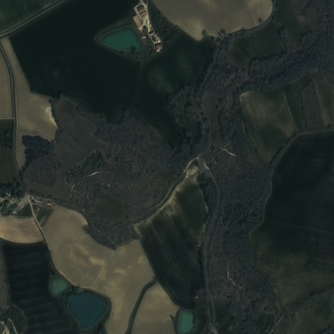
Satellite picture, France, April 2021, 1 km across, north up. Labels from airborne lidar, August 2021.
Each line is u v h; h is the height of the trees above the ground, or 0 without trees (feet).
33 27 0
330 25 29
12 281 0
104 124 50
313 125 52
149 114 0
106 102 0
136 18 0
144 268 0
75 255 0
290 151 0
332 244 0
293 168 0
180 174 24
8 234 0
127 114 54
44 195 35
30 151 27
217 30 0
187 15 0
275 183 0
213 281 47
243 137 45
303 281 0
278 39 0
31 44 0
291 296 0
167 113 0
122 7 0
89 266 0
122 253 0
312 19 0
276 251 0
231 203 72
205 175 50
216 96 45
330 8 36
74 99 54
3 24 0
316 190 0
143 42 0
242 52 0
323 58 52
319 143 0
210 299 0
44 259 0
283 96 0
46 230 0
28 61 0
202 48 0
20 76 0
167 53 0
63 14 0
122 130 61
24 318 30
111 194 0
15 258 0
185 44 0
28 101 0
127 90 0
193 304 0
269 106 0
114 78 0
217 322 0
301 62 45
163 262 0
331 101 0
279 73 32
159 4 0
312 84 43
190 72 0
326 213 0
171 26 0
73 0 0
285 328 0
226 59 51
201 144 85
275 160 51
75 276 0
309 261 0
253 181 68
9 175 0
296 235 0
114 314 0
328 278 0
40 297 0
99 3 0
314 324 0
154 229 0
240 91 34
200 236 0
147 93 0
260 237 0
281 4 0
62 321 0
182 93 54
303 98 43
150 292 0
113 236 58
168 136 0
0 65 0
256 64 52
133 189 31
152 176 22
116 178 23
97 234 57
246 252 56
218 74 51
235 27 0
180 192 0
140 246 0
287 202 0
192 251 0
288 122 0
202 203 0
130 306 0
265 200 49
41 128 0
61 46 0
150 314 0
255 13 0
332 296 52
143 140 45
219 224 40
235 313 73
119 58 0
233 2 0
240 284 36
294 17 0
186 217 0
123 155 32
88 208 41
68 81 0
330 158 0
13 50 0
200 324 0
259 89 52
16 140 0
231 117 23
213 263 26
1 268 0
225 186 80
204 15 0
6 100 0
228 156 22
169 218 0
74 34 0
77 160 0
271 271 0
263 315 0
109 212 0
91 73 0
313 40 34
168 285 0
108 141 49
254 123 0
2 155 0
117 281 0
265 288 60
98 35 0
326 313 0
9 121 0
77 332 0
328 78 47
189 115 72
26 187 58
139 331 0
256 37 0
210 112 0
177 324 0
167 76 0
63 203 56
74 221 0
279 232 0
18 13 0
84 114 52
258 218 62
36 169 68
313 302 66
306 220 0
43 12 0
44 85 0
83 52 0
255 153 43
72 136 0
